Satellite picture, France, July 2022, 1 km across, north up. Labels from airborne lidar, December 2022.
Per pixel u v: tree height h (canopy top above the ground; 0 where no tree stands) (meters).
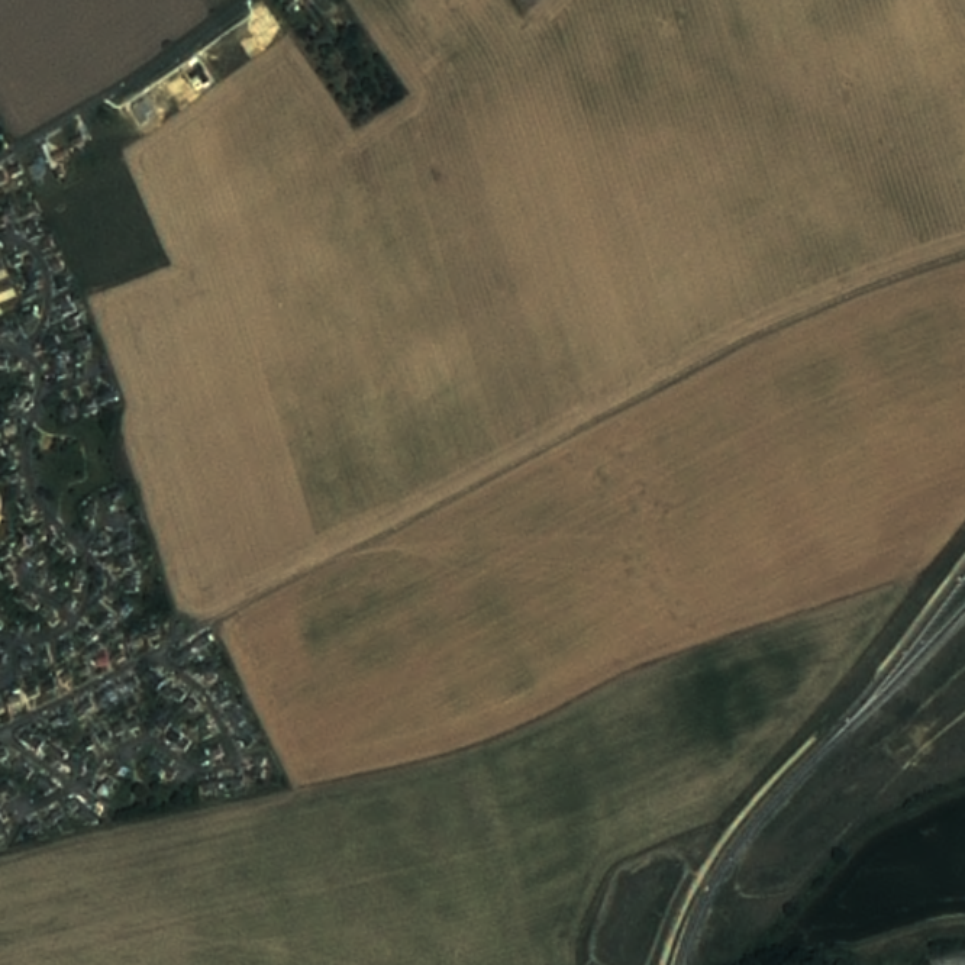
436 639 0
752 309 0
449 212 0
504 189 0
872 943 0
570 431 0
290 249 0
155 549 0
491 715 0
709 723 0
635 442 0
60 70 0
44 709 0
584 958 0
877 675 0
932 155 0
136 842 0
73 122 0
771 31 0
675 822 0
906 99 0
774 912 0
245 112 0
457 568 0
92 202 0
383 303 0
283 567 0
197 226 0
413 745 0
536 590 0
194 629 0
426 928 0
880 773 0
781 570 0
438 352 0
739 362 0
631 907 0
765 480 0
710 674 0
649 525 0
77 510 0
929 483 0
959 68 0
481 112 0
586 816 0
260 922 0
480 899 0
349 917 0
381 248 0
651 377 0
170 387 0
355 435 0
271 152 0
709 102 0
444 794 0
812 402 0
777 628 0
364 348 0
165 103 0
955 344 0
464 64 0
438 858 0
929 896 0
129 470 0
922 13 0
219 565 0
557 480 0
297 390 0
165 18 0
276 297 0
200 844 0
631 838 0
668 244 0
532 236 0
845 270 0
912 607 0
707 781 0
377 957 0
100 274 0
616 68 0
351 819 0
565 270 0
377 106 7
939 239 0
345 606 0
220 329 0
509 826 0
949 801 0
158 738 0
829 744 0
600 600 0
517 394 0
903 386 0
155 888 0
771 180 0
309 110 0
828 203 0
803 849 0
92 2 0
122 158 0
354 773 0
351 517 0
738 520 0
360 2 0
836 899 0
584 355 0
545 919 0
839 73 0
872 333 0
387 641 0
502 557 0
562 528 0
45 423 0
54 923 0
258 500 0
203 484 0
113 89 0
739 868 0
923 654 0
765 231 0
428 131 0
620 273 0
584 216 0
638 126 0
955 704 0
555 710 0
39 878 0
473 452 0
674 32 0
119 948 0
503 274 0
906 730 0
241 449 0
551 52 0
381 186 0
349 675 0
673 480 0
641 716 0
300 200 0
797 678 0
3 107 0
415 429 0
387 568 0
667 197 0
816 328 0
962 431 0
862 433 0
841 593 0
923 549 0
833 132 0
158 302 0
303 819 0
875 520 0
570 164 0
